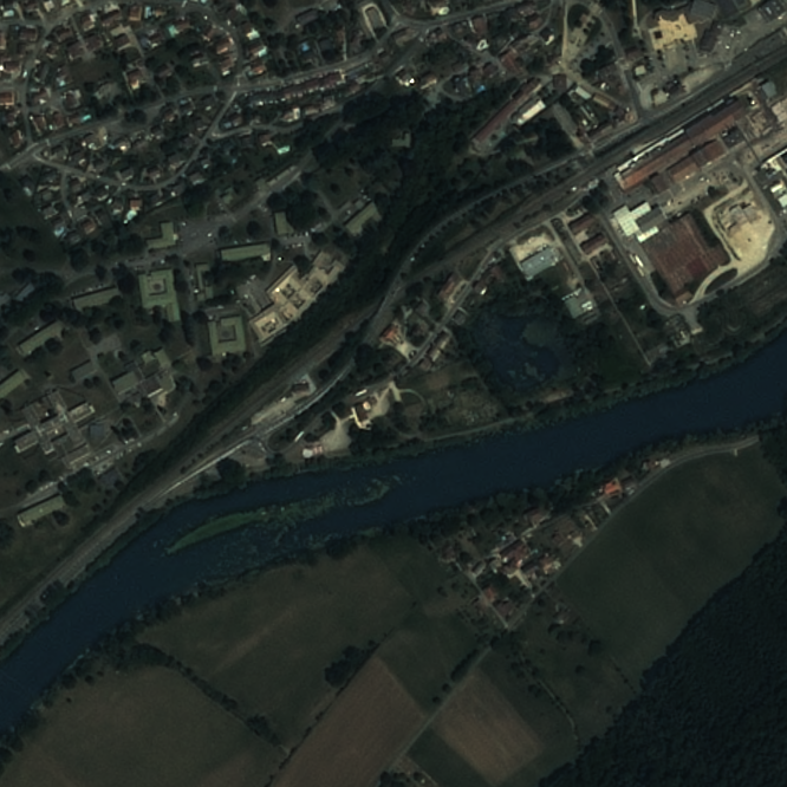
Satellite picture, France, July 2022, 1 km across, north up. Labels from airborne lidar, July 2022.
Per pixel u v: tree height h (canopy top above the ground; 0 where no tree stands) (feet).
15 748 58
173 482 0
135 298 0
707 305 31
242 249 0
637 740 58
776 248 0
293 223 72
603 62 22
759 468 0
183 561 0
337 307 70
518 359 0
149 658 74
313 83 0
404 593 0
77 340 0
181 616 37
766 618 55
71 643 0
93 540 0
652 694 73
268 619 0
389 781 30
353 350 43
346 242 74
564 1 0
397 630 0
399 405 40
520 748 0
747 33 0
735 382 0
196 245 0
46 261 0
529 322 0
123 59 43
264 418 0
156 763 0
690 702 74
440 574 0
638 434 0
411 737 0
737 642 58
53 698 51
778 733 67
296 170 0
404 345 0
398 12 0
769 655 65
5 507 0
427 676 0
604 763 25
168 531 0
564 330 51
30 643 0
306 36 29
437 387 0
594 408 0
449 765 0
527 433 0
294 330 59
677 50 0
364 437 59
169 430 0
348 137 80
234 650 0
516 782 0
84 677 32
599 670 0
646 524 0
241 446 0
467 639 0
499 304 47
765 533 0
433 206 46
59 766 0
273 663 0
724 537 0
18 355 0
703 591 0
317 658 0
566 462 0
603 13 0
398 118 81
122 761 0
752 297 0
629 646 0
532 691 28
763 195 0
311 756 0
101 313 56
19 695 0
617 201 0
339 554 67
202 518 0
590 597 0
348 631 0
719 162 0
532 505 33
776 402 0
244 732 0
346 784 0
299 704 0
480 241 0
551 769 0
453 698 0
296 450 0
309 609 0
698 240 0
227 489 36
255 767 0
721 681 57
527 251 0
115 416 0
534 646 0
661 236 0
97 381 38
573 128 0
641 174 0
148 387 0
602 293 0
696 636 63
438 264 0
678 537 0
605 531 0
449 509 29
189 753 0
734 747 59
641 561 0
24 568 0
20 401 0
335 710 0
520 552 0
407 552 0
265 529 0
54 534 0
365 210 0
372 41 30
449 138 26
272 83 0
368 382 23
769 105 0
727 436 58
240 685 0
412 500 0
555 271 0
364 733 0
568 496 22
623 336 0
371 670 0
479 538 22
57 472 0
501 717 0
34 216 0
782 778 68
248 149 20
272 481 0
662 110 0
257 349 0
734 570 0
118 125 0
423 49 0
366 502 0
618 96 0
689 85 0
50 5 0
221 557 0
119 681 0
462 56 32
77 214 0
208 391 29
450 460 0
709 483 0
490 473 0
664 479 0
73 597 0
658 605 0
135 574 0
